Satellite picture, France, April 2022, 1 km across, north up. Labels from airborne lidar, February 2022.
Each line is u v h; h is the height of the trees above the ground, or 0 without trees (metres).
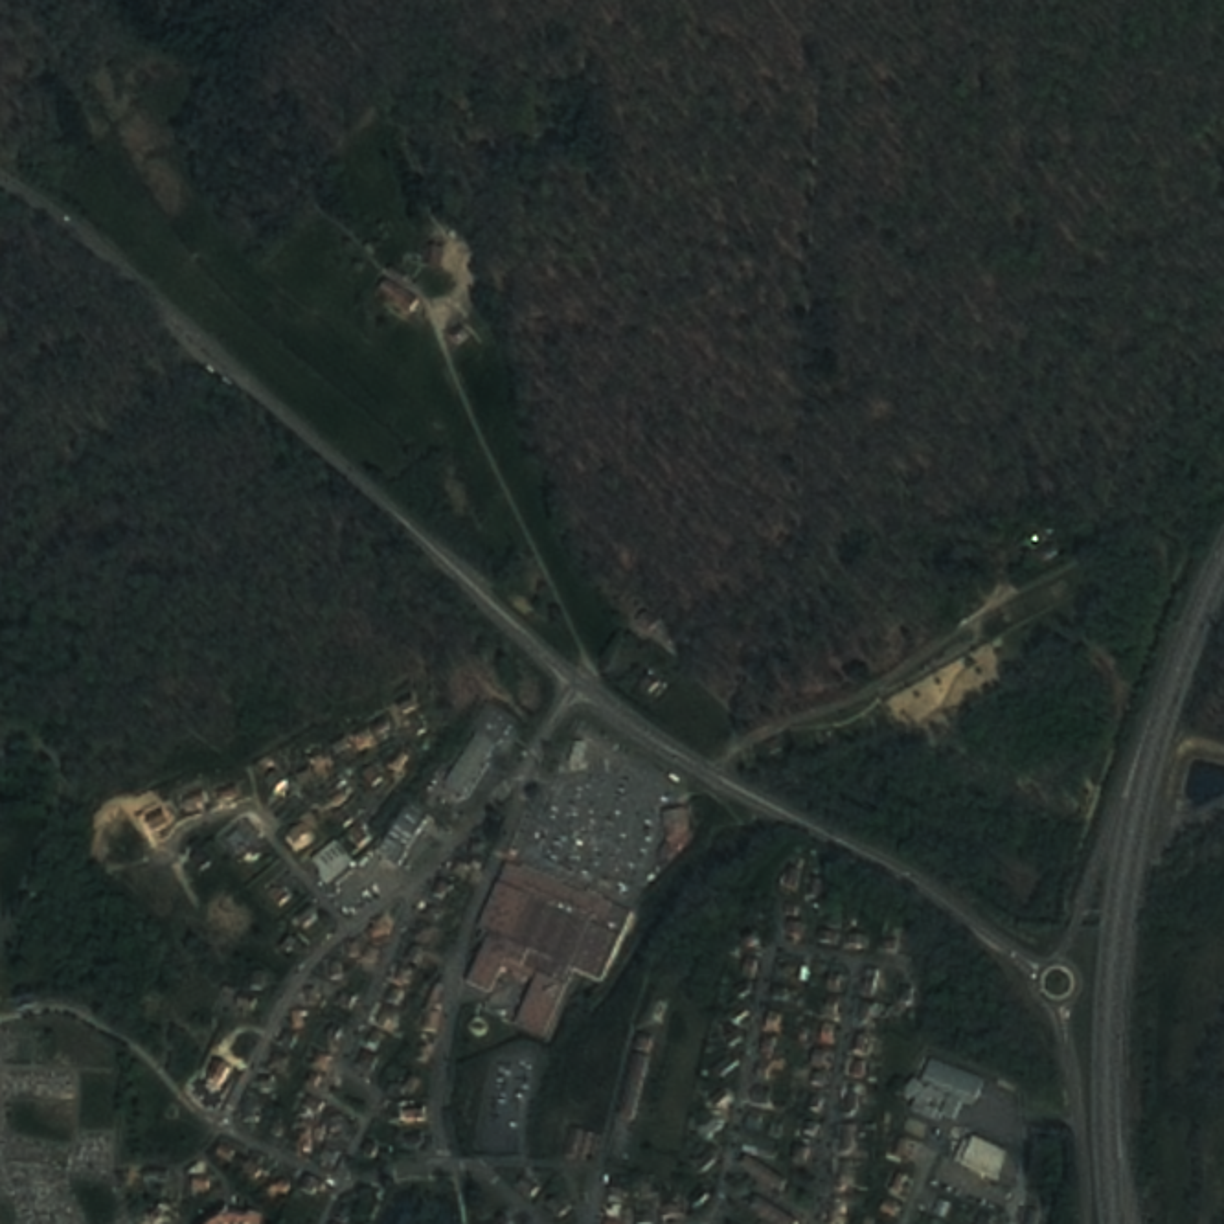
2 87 25
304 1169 0
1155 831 0
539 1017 0
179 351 24
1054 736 26
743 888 16
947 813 19
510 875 0
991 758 25
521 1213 0
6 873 0
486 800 0
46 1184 0
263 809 0
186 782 0
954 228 25
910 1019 6
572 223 33
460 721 22
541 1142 0
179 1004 0
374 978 0
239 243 21
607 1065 0
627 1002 0
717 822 0
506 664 14
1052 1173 8
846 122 0
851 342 26
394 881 0
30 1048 0
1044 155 28
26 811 20
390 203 0
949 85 26
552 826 0
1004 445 28
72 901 0
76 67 15
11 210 25
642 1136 0
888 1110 0
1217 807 0
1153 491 29
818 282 27
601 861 0
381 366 0
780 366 0
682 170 0
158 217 0
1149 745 0
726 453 0
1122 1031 0
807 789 16
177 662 27
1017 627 0
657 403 0
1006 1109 0
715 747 0
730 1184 11
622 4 0
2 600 31
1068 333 26
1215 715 27
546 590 11
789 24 0
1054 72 26
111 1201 0
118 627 32
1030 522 15
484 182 35
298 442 13
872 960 0
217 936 0
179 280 0
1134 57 26
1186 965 0
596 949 0
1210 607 0
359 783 0
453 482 0
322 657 28
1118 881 0
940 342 25
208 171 24
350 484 13
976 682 0
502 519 0
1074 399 29
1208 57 30
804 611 24
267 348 0
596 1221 0
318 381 0
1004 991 25
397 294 0
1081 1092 0
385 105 27
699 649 25
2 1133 0
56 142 32
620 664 0
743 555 0
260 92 24
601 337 0
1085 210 22
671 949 23
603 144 20
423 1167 0
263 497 27
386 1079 6
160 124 0
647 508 0
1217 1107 0
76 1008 19
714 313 0
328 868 0
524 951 0
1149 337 26
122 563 30
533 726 0
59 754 17
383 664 0
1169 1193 0
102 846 0
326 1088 0
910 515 34
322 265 0
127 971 18
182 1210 7
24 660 33
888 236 0
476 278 16
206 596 28
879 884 24
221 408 27
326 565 28
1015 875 0
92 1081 0
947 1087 0
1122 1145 0
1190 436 30
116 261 0
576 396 29
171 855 0
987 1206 0
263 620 19
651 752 0
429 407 0
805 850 7
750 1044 0
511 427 0
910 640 17
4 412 26
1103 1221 0
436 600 28
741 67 0
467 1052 0
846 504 28
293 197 27
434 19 28
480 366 0
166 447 28
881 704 0
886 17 0
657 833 0
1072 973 0
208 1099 0
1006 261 27
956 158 26
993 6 25
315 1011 0
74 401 34
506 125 27
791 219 29
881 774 20
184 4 20
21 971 18
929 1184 0
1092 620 30
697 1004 18
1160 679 0
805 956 0
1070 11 25
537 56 11
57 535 20
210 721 32
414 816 0
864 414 28
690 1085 0
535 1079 0
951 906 0
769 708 24
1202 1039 0
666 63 0
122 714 31
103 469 30
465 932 0
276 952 0
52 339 26
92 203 0
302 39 20
